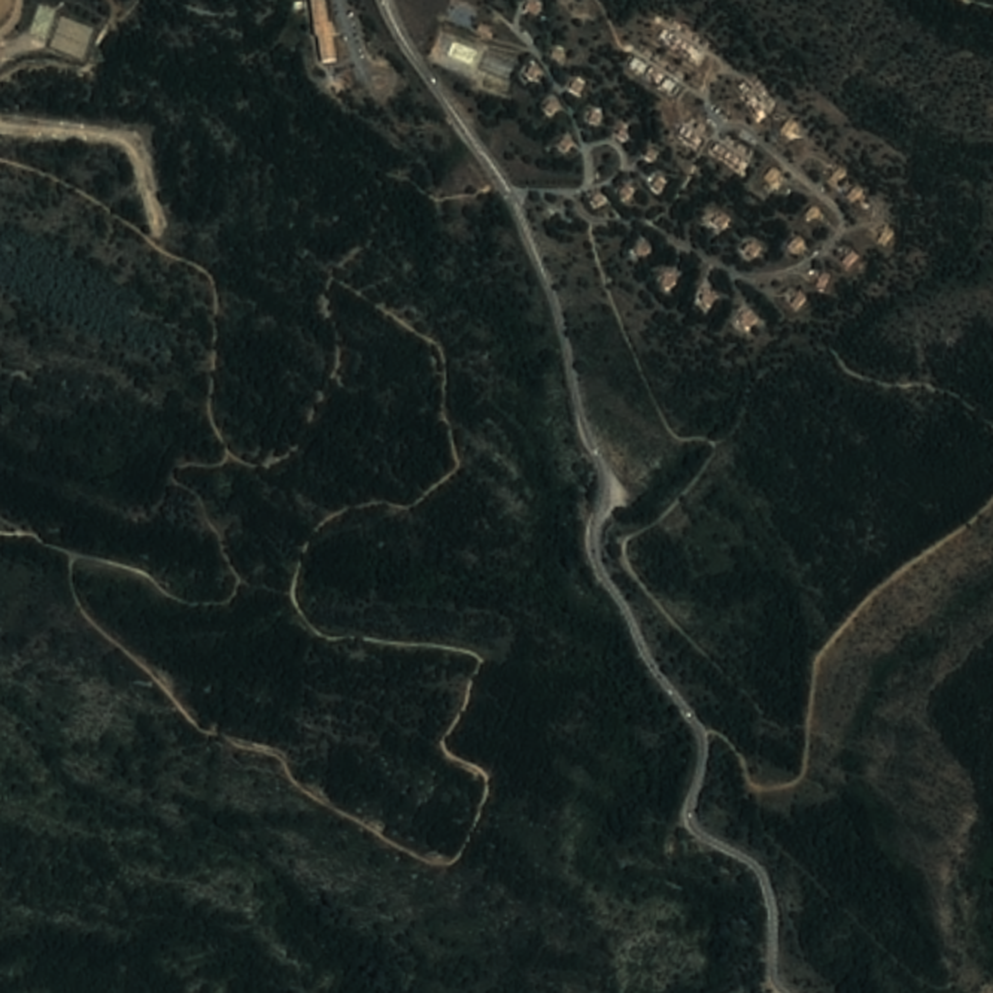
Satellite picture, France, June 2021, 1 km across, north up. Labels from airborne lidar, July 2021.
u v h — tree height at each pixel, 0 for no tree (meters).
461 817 8
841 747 0
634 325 0
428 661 9
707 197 10
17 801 0
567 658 7
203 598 8
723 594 6
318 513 7
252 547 7
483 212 8
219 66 7
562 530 8
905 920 6
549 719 5
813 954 8
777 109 0
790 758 8
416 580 6
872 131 6
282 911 13
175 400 10
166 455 8
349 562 11
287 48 7
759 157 6
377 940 6
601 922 0
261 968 11
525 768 9
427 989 7
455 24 0
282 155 8
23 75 10
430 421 11
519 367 8
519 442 11
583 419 0
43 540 9
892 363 5
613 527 0
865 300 7
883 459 7
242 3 10
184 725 9
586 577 10
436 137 6
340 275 8
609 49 6
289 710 6
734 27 11
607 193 14
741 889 7
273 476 7
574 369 10
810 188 0
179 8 9
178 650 9
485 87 0
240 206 7
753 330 10
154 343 11
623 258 10
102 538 8
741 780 9
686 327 7
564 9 0
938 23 6
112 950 9
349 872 0
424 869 0
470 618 8
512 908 0
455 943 7
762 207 6
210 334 9
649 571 10
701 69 0
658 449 0
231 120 9
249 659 7
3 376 8
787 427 8
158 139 9
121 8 0
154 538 9
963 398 8
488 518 8
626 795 6
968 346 6
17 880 9
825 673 0
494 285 10
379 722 8
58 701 0
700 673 7
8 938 11
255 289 9
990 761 6
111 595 10
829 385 7
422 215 6
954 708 8
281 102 9
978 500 6
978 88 9
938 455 10
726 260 7
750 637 6
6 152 0
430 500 9
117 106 6
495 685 7
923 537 8
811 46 11
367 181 7
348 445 10
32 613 5
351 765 8
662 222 7
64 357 0
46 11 0
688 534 6
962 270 9
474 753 7
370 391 9
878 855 8
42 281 13
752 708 6
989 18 8
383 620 7
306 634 10
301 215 7
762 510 6
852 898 7
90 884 6
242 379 6
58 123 0
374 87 0
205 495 11
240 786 0
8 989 6
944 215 5
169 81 9
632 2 9
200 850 9
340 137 7
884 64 8
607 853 6
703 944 9
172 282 7
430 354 6
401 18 0
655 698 10
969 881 8
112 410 8
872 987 9
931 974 7
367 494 6
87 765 0
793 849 6
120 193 0
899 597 0
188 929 13
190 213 8
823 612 7
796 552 8
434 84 0
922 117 7
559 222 10
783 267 0
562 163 8
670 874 7
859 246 0
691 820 0
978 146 9
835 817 8
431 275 6
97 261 10
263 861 9
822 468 6
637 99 8
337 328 7
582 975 0
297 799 0
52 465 6
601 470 0
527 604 7
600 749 8
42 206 7
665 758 9
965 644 0
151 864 6
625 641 8
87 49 0
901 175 7
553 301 0
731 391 10
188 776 10
